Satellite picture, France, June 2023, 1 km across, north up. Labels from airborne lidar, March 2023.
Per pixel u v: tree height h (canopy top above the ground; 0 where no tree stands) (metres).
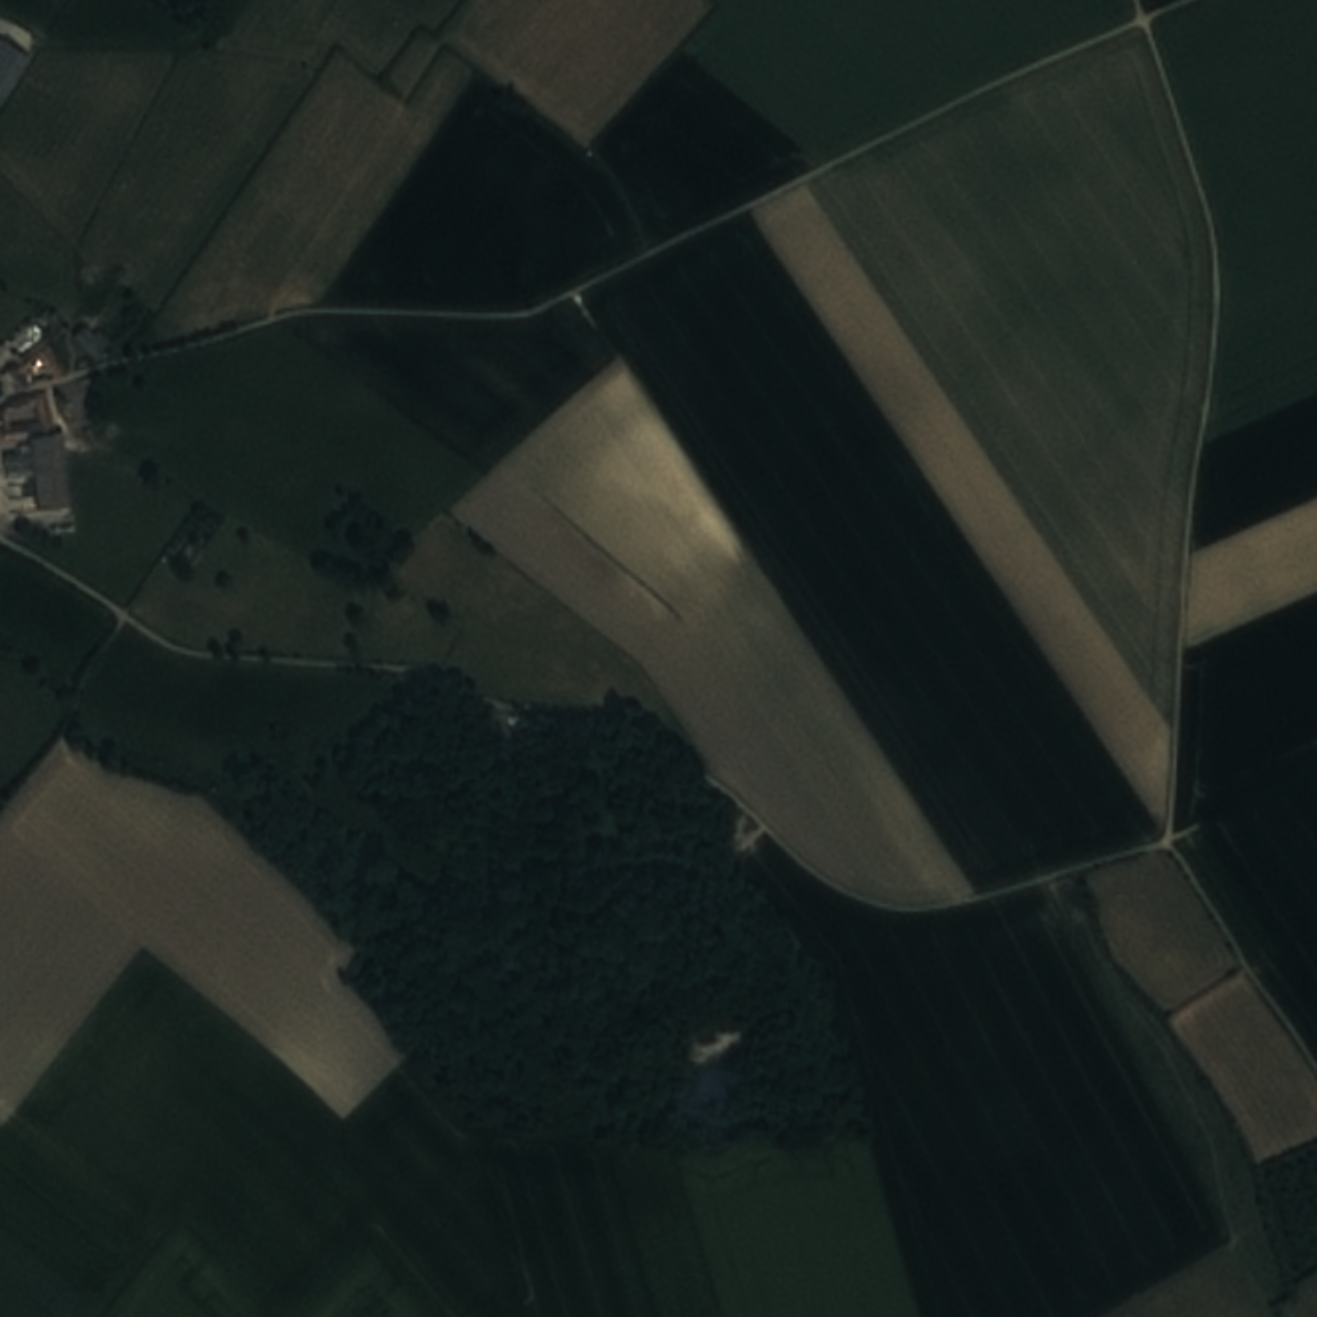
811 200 0
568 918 19
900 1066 0
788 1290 0
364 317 0
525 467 0
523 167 0
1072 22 0
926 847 0
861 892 0
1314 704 0
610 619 0
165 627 0
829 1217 0
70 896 0
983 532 0
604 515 0
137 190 0
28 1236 0
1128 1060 0
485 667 0
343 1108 0
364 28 0
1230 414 0
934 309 0
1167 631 0
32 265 0
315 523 0
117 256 0
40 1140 0
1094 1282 0
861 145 0
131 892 0
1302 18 0
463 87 0
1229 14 0
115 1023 0
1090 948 0
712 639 0
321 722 0
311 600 0
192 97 0
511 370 0
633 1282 0
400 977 14
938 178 0
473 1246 0
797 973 16
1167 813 0
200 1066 0
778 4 0
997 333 0
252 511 0
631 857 10
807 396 0
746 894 17
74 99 0
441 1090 14
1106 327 0
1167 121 0
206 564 0
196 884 0
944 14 0
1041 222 0
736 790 0
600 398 0
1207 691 0
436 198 0
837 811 0
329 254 0
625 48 0
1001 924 0
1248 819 0
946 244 0
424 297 0
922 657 0
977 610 0
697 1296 0
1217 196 0
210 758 0
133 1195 0
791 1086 16
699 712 0
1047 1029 0
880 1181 0
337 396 0
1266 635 0
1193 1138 0
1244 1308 0
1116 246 0
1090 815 0
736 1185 0
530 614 0
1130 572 0
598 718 15
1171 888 0
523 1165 0
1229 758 0
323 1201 0
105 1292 0
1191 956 0
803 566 0
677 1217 0
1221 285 0
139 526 0
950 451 0
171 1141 0
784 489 0
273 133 0
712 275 0
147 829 0
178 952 0
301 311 0
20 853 0
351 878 14
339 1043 0
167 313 0
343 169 0
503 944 23
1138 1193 0
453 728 21
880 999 0
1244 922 0
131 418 0
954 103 0
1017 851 0
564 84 0
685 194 0
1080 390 0
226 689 0
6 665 0
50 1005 0
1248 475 0
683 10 0
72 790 0
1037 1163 0
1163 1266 0
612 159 0
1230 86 0
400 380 0
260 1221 0
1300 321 0
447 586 0
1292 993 0
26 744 0
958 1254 0
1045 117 0
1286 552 0
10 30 0
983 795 0
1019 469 0
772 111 0
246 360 0
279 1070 0
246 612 0
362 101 0
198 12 17
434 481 0
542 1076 24
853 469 0
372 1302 0
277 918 0
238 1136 0
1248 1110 0
